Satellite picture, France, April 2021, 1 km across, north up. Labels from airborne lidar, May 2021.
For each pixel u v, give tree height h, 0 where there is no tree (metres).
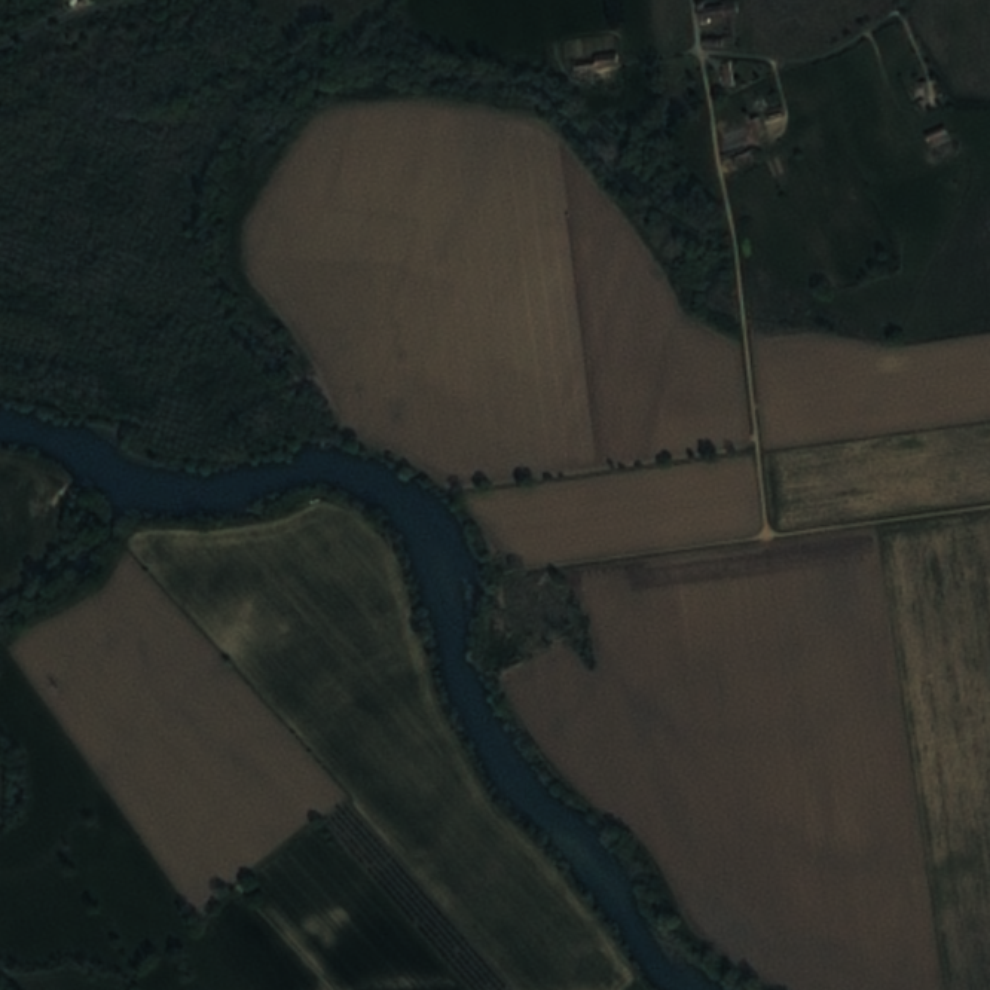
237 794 0
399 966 0
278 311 0
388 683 0
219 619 0
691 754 0
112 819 0
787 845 0
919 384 0
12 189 7
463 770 0
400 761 0
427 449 0
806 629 0
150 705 0
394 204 0
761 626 0
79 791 0
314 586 0
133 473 0
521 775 0
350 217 0
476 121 0
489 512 0
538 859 0
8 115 10
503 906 0
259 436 12
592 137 0
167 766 0
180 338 11
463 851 0
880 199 0
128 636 0
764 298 0
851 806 0
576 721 0
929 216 0
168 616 0
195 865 0
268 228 0
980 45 0
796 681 0
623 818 0
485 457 0
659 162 14
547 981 0
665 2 0
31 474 0
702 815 0
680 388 0
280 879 0
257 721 0
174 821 0
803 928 0
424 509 0
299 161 0
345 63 24
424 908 8
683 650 0
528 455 0
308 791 0
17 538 0
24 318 9
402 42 8
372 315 0
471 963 12
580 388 0
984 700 0
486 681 14
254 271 0
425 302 0
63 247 11
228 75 12
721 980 7
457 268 0
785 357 0
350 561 0
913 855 0
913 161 0
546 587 0
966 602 0
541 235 0
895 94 0
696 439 0
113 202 7
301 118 11
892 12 0
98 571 14
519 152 0
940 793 0
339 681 0
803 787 0
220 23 14
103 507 14
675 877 0
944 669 0
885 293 0
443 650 0
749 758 0
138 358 8
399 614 0
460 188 0
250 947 0
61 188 8
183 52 16
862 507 0
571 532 0
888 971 0
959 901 0
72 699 0
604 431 0
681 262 6
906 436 0
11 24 11
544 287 0
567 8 0
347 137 0
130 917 0
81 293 12
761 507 0
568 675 0
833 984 0
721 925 0
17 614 16
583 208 0
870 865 0
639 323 0
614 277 0
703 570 0
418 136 0
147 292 12
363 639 0
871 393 0
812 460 0
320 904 0
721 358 0
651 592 0
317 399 20
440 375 0
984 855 0
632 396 0
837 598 0
